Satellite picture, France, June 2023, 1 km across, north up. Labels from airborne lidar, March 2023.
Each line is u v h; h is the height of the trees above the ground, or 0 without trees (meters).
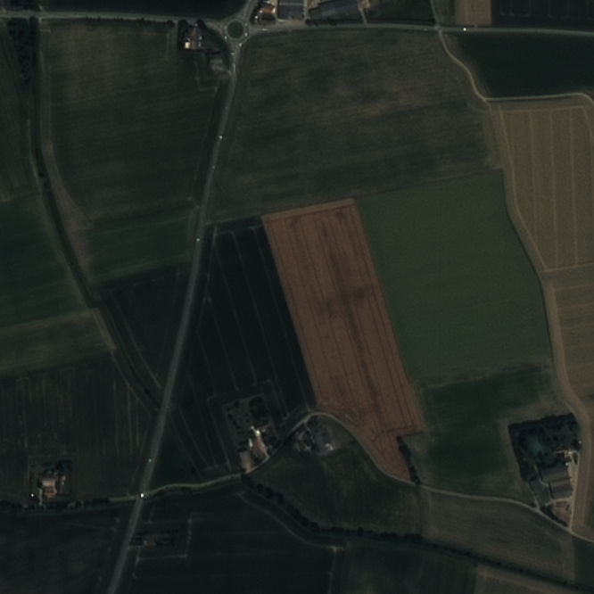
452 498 0
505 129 0
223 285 0
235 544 0
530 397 0
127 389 0
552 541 0
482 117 0
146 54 0
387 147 0
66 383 0
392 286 0
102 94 0
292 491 0
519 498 0
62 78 0
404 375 0
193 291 0
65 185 0
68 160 0
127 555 0
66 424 0
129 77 0
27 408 0
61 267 0
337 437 0
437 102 0
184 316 0
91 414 0
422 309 0
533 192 0
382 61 0
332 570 0
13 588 0
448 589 0
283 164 0
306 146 0
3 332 0
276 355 0
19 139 0
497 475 0
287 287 0
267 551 0
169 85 0
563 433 0
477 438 0
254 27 0
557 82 0
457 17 0
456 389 0
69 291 0
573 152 0
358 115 0
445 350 0
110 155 0
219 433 0
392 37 0
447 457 0
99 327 0
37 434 0
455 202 0
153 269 0
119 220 0
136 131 0
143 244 0
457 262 0
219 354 0
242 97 0
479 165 0
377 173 0
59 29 0
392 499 0
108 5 0
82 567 0
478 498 0
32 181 0
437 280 0
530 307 0
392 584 0
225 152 0
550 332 0
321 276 0
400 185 0
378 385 0
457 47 0
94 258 0
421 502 0
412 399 0
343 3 0
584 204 0
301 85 0
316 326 0
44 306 0
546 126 0
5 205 0
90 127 0
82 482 0
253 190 0
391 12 0
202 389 0
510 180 0
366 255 0
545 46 0
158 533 0
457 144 0
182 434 0
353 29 0
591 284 0
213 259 0
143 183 0
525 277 0
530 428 8
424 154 0
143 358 0
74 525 0
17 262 0
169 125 0
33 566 0
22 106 0
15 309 0
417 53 0
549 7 0
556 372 0
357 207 0
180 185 0
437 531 0
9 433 0
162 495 6
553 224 0
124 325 0
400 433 0
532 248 0
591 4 0
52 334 0
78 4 0
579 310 0
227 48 0
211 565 0
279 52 0
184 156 0
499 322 0
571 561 0
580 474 0
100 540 0
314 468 0
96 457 0
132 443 0
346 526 0
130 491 0
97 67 0
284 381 0
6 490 0
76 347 0
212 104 0
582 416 0
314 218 0
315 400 0
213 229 0
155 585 0
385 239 0
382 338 0
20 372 0
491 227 0
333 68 0
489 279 0
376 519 0
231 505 0
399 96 0
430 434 0
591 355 0
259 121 0
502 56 0
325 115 0
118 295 0
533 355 0
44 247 0
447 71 0
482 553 0
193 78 0
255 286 0
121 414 0
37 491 0
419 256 0
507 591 0
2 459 0
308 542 0
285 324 0
